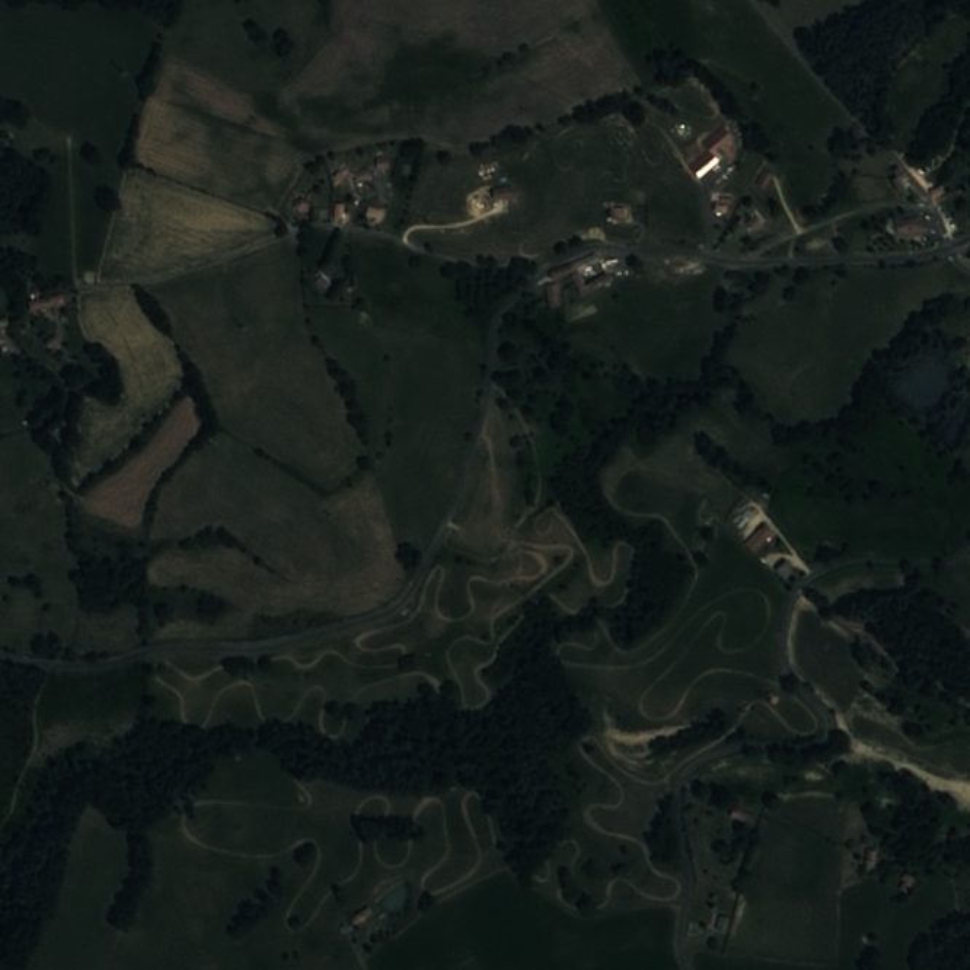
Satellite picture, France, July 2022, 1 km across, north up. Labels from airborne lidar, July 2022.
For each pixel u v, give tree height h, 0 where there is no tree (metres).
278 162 0
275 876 18
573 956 0
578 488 14
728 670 0
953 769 0
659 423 22
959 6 18
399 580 0
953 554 0
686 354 0
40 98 0
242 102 0
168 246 0
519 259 12
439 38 0
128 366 0
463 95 0
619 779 0
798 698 0
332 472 0
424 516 0
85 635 0
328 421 0
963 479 13
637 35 0
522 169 0
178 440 0
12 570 0
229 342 0
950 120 17
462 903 0
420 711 21
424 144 9
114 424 0
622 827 0
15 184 27
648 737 0
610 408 0
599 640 0
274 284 0
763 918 0
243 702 0
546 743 6
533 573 0
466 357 0
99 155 22
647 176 0
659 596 6
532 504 8
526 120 0
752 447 0
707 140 0
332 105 0
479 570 0
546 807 21
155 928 0
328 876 0
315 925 0
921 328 16
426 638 0
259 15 0
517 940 0
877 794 0
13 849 24
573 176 0
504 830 12
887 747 0
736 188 0
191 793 19
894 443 0
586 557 0
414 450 0
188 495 0
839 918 0
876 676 0
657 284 0
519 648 9
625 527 11
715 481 0
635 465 0
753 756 11
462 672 0
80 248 0
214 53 0
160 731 21
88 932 0
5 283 17
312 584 0
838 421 8
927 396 0
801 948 0
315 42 0
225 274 0
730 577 0
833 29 25
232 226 0
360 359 0
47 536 0
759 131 21
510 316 12
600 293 0
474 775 22
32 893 31
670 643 0
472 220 0
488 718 6
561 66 0
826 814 0
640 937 0
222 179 0
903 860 13
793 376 0
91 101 0
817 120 0
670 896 0
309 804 0
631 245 0
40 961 0
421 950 0
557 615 6
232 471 0
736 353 0
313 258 0
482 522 0
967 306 11
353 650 0
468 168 0
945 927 19
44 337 6
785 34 0
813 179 0
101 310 0
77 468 0
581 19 0
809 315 0
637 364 0
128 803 27
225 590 0
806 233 0
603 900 0
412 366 0
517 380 17
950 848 11
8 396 0
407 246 0
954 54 0
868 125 18
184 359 9
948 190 9
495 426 0
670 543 0
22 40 0
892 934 0
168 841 0
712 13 0
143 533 0
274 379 0
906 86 0
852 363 0
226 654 0
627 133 0
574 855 0
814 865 0
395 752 15
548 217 0
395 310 0
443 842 0
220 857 0
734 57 0
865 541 0
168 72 0
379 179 0
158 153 0
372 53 0
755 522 0
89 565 16
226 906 0
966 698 24
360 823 22
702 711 0
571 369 15
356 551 0
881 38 31
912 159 15
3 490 0
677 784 0
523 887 9
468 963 0
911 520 0
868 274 0
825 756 15
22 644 0
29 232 15
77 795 25
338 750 28
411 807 0
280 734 23
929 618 24
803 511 0
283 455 0
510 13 0
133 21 0
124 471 0
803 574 10
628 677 0
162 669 11
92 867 0
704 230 0
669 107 17
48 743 0
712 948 12
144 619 10
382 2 0
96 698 0
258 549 0
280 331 0
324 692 0
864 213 0
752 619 0
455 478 0
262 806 0
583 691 0
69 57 0
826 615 21
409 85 0
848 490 6
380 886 0
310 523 0
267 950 0
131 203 0
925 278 0
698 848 0
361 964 0
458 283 8
